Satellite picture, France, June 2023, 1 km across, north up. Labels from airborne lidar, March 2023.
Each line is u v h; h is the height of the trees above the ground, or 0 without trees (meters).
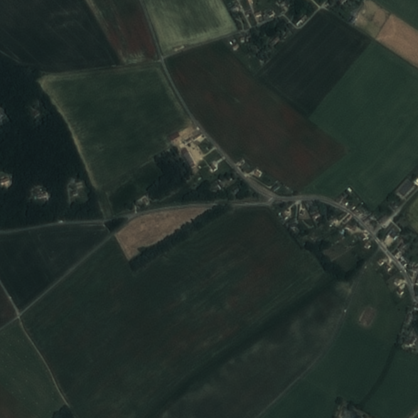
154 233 0
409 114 0
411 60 0
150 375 0
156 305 0
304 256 0
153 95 0
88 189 7
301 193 0
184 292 0
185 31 0
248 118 0
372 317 0
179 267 0
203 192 22
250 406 0
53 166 25
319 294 0
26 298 0
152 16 0
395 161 0
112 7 0
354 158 0
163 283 0
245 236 0
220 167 0
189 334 0
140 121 0
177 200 0
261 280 0
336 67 0
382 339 0
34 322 0
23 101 27
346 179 0
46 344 0
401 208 0
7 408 0
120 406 0
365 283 0
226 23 0
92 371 0
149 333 0
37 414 0
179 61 0
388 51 0
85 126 0
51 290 0
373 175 0
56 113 21
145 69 0
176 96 0
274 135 0
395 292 0
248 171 0
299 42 0
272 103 0
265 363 0
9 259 0
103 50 0
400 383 0
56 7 0
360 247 0
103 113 0
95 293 0
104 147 0
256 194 14
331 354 0
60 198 23
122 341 0
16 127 26
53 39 0
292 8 10
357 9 0
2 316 0
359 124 0
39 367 0
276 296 0
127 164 0
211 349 0
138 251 0
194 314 0
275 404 0
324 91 0
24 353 0
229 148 0
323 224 7
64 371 0
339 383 0
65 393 0
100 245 0
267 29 16
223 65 0
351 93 0
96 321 0
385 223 0
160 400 0
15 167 20
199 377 0
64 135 21
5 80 26
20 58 0
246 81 0
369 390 0
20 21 0
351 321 0
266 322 0
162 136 0
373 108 0
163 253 16
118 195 0
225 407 0
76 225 0
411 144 0
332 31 0
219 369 0
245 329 0
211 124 0
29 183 24
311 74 0
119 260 0
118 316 0
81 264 0
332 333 0
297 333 0
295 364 0
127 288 0
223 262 0
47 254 0
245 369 0
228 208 18
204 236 0
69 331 0
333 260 0
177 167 22
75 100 0
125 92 0
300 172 0
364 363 0
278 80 0
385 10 0
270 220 0
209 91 0
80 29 0
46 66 0
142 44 0
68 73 0
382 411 0
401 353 0
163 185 22
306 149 0
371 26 0
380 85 0
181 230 10
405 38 0
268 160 0
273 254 0
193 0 0
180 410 0
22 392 0
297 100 0
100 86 0
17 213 25
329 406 0
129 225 0
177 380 0
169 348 0
